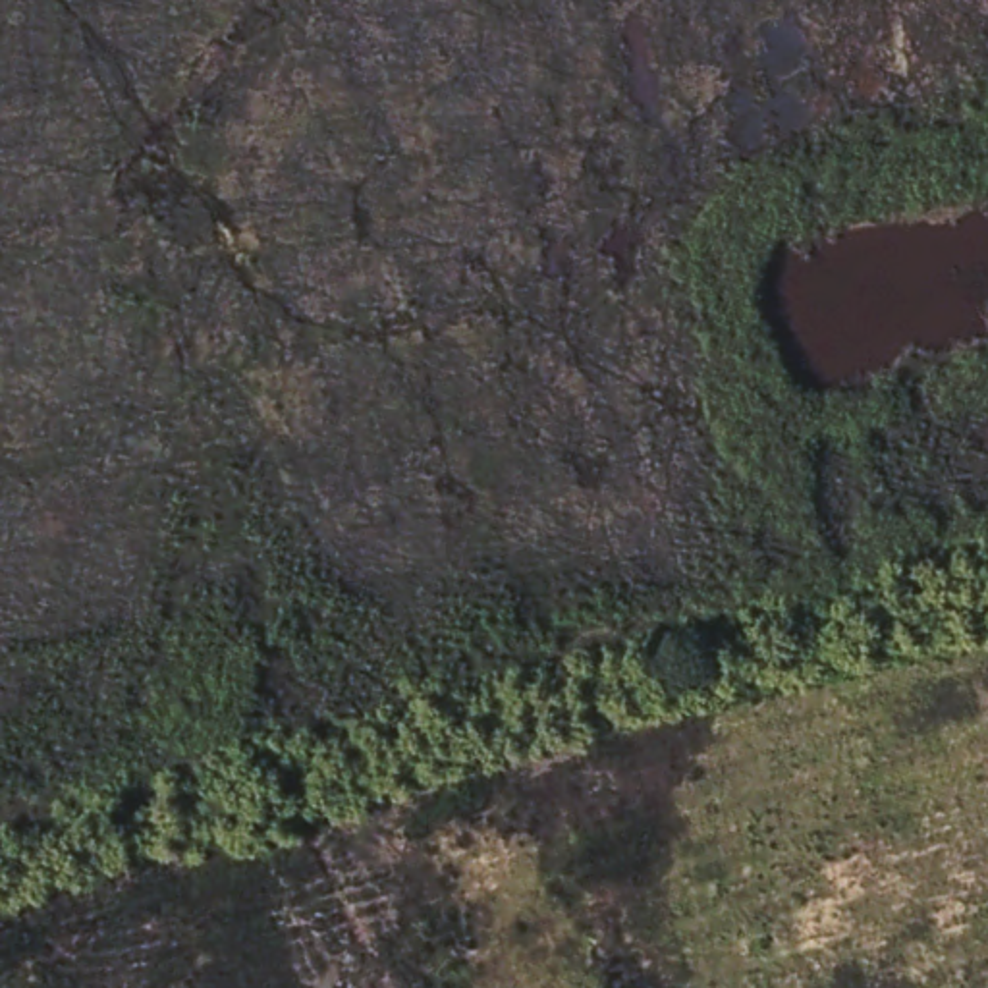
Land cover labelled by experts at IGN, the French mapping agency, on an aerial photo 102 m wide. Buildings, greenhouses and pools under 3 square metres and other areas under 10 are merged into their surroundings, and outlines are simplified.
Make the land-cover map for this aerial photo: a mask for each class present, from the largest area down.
<instances>
[{"label":"herbaceous vegetation","instance_id":"1","mask_svg":"<svg viewBox=\"0 0 988 988\"><path fill-rule=\"evenodd\" d=\"M969 212H988V0H0V826H12L19 849L39 853L46 834L62 837L66 830L50 818V803H62L66 810L81 807L77 799H69L62 783H85L100 799L120 803L124 787H151L158 772H174L178 764L193 768L197 760H205V753L216 756V764H228V745H239L251 760L259 753L255 733H266V718H278L282 737L313 729L316 722L347 729V718H359L363 729H374L382 741H398V726L409 714V702L398 695V679H436L440 695L428 699V706L440 710L452 726H463V714L471 706V695H479L482 675L517 668V691L540 687V695H560L563 660L571 652L587 660V679L602 683V652L625 656V641H637V648H645L656 625H687L699 618H733L737 610H760L764 590L783 594L787 610H814L822 621L830 618L834 602L845 598L857 618L868 621L872 610L884 606L880 563H930L942 571L953 560H969V567L988 571V336L961 340L946 351L903 347L884 367L841 382L837 390H799L795 382H787L780 347L756 309V282L776 243L791 251H810L814 243H834L841 232L853 228L946 224ZM741 675L756 687L780 691V699L718 714L714 726L702 718H683L675 726L641 733L614 729L610 737L590 741L583 756H571L548 768L544 776H533L529 768L482 776V764H467L463 783L440 787L425 795L417 807L390 803L386 814H363V826L351 830L328 826L324 818H286L282 834L301 837V845L278 849L274 857L232 861L228 853H220V845H208L197 868H170L147 861L135 872L124 868L108 876L104 884H96L93 895L46 888L42 907L0 915V988H988V660L973 652H953V664H872L853 683H826V675H818L814 668L764 672L745 664ZM440 830L455 837L459 849H475L479 830H494L498 837L529 834L536 841L540 884L529 892V903L517 919L486 895L467 899L459 884V865H432ZM845 857H868L876 872H899L903 880H911V903L895 915L888 895H861L849 907H841V915L853 919L845 938H837L826 949H799L795 915L807 903L826 899V865ZM938 895L965 903V934L949 938L934 930Z\"/></svg>","mask_w":988,"mask_h":988},{"label":"brushwood","instance_id":"2","mask_svg":"<svg viewBox=\"0 0 988 988\"><path fill-rule=\"evenodd\" d=\"M884 606L872 610L868 621L857 618L845 598L834 602L830 618L822 621L814 610H787L783 594L764 590L760 610H737L733 618H699L687 625H656L645 648H637V641H625V656L602 652V683L587 679V660L571 652L563 660L560 695H540V687L517 691V668L482 675L479 695H471V706L463 714V726H452L440 710L428 706V699L440 695L436 679H398V695L409 702V714L398 726V741H382L374 729H363L359 718H347V729L316 722L313 729L282 737L278 718H266V733H255L259 753L251 760L239 745H228V764H216V756L205 753V760H197L193 768L178 764L174 772H158L151 787H124L120 803L100 799L85 783H62L69 799H77L81 807L66 810L62 803H50V818L66 830L62 837L46 834L39 853L19 849L12 826H0V915L42 907L46 888L93 895L96 884H104L108 876L124 868L135 872L147 861L170 868H197L208 845H220V853H228L232 861L274 857L278 849L301 845V837L282 834L286 818H324L328 826L351 830L363 826V814H386L390 803L417 807L425 795L440 787L463 783L467 764H482V776L529 768L533 776H544L548 768L571 756H583L590 741L610 737L614 729L641 733L675 726L683 718H702L714 726L718 714L780 699V691L756 687L741 675L745 664L764 672L814 668L818 675H826V683H853L872 664H953V652H973L988 660V571L969 567V560H953L942 571L930 563H880Z\"/></svg>","mask_w":988,"mask_h":988},{"label":"water","instance_id":"3","mask_svg":"<svg viewBox=\"0 0 988 988\"><path fill-rule=\"evenodd\" d=\"M756 309L780 347L787 382H795L799 390H837L841 382L884 367L903 347L946 351L961 340L988 336V212H969L946 224L853 228L841 232L834 243H814L810 251H791L776 243L756 282Z\"/></svg>","mask_w":988,"mask_h":988},{"label":"bare soil","instance_id":"4","mask_svg":"<svg viewBox=\"0 0 988 988\"><path fill-rule=\"evenodd\" d=\"M432 865H459V884L467 899L486 895L517 919L529 903V892L540 884L536 841L529 834L498 837L494 830H479L475 849H459L455 837L440 830ZM826 899L807 903L795 915L799 949H826L837 938H845L853 919L841 915V907H849L861 895H888L895 915L911 903V880H903L899 872H876L868 857H845L826 865ZM934 930L949 938L965 934V903L938 895Z\"/></svg>","mask_w":988,"mask_h":988}]
</instances>
